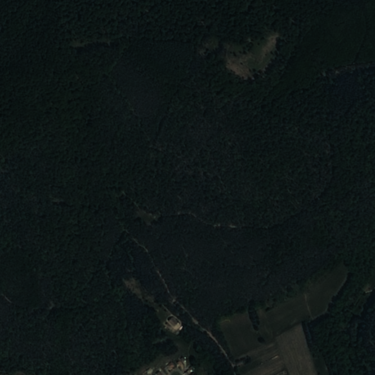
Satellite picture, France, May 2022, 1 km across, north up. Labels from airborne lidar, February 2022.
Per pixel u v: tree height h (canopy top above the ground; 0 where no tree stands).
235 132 25
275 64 31
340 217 23
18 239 20
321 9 23
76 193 29
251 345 0
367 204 32
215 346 22
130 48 19
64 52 25
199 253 16
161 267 21
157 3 28
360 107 28
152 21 27
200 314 18
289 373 0
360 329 16
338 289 0
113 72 23
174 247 19
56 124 26
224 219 19
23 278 15
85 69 28
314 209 20
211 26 23
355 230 24
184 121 23
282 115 22
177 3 28
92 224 29
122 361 21
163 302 21
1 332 20
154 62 23
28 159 24
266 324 0
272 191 24
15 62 24
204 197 20
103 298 23
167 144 24
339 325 22
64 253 28
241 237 18
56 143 28
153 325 23
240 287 22
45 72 24
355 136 24
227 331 0
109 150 30
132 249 29
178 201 25
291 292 26
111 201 25
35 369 20
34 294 16
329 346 26
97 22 28
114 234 22
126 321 27
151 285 24
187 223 17
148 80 22
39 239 24
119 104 27
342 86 28
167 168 18
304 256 19
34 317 25
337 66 33
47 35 28
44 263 24
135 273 30
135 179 25
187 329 25
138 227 18
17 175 23
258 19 29
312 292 0
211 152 18
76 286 28
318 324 20
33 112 24
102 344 20
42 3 27
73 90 33
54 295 17
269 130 31
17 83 24
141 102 20
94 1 30
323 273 0
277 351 0
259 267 16
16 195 20
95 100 30
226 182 22
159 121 12
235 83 26
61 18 26
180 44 21
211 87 27
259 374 0
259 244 19
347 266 21
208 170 20
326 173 25
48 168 25
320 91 27
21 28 27
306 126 25
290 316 0
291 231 24
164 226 20
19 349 20
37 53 23
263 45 0
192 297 20
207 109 23
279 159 24
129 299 24
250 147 20
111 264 27
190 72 20
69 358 19
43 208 26
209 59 24
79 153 29
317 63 21
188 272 13
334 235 26
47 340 23
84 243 28
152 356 20
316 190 26
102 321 22
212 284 17
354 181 26
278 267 25
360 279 24
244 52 16
